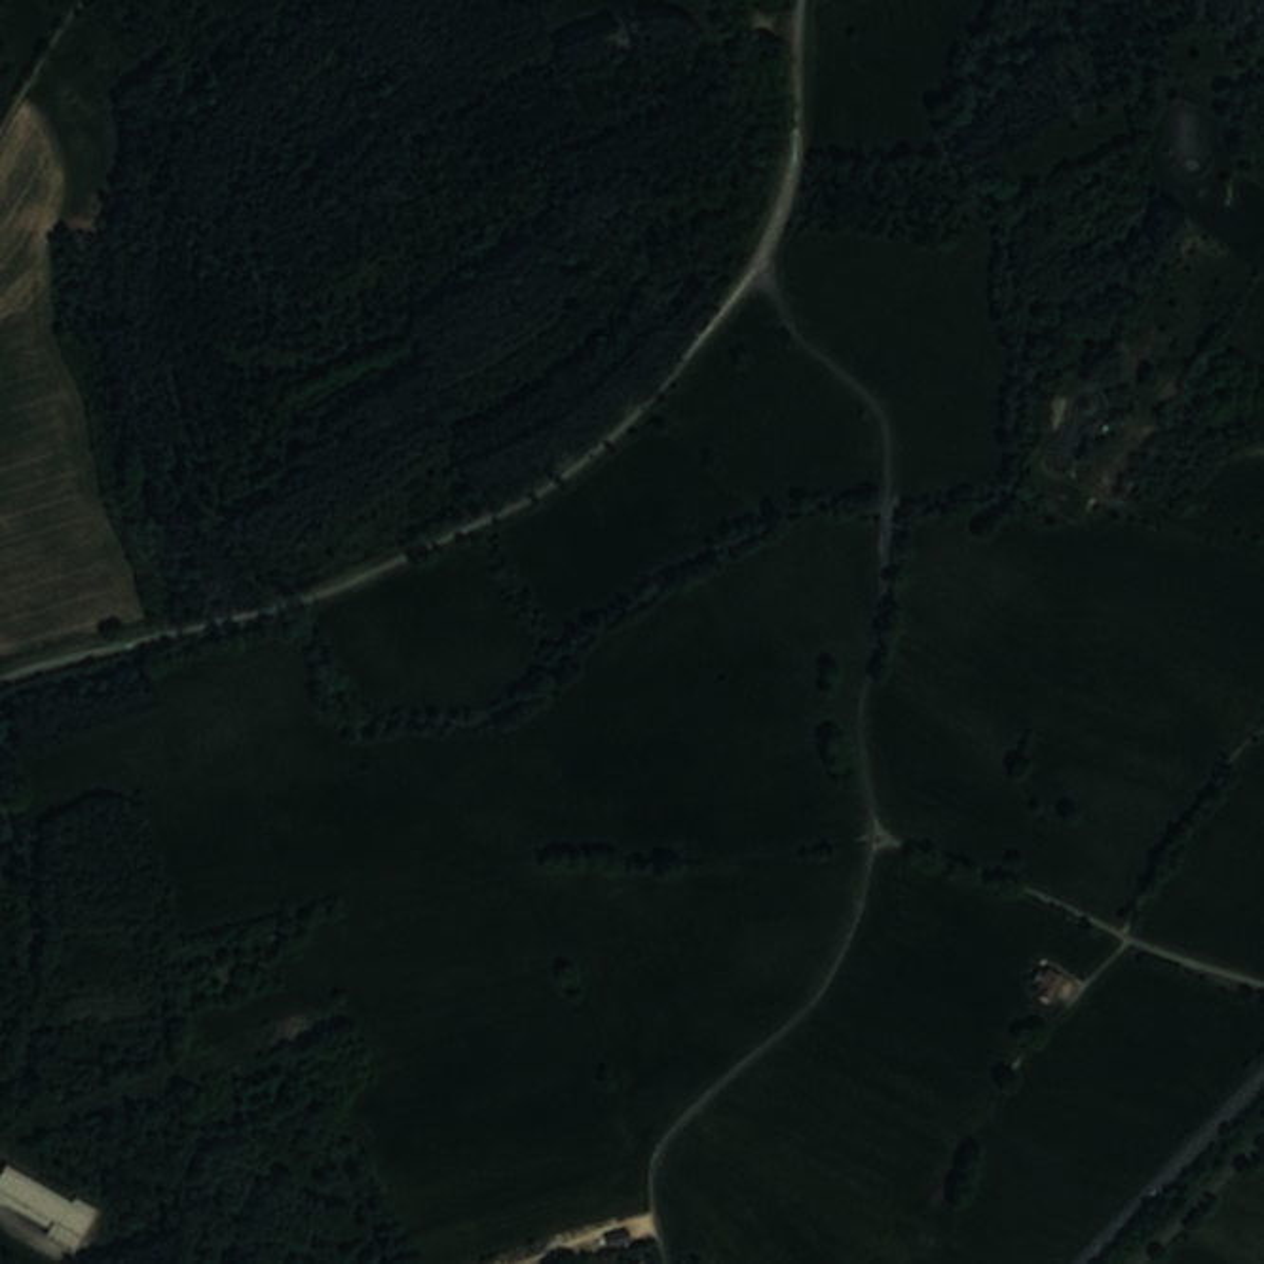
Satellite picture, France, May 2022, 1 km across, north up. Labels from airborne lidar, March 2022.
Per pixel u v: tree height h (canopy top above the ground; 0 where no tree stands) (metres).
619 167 21
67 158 0
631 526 0
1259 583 0
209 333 16
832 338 0
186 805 0
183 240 12
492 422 18
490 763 0
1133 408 10
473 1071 0
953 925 0
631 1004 0
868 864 0
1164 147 0
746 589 0
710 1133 0
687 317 24
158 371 5
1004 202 17
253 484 10
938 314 0
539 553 0
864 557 0
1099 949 0
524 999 0
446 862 0
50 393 0
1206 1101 0
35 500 0
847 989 0
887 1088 0
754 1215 0
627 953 0
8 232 0
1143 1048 0
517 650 0
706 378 0
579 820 0
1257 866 0
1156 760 0
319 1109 26
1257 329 0
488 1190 0
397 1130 0
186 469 18
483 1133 0
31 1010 16
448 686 0
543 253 26
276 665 0
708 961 0
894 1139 0
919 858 17
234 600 25
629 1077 0
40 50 10
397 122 15
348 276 6
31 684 9
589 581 0
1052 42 32
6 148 0
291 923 11
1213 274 0
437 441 24
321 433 21
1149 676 0
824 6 0
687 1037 0
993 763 0
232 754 0
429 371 25
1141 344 0
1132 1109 0
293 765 0
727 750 0
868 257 0
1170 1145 0
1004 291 18
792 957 0
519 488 18
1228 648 0
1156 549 0
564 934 0
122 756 0
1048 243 16
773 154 29
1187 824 7
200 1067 0
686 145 14
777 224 0
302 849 0
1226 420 8
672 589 14
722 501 0
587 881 0
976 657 0
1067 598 0
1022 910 0
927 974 0
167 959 12
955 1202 17
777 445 0
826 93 0
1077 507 0
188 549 25
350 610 0
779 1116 0
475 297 28
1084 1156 0
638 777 0
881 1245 0
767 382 0
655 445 0
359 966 0
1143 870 0
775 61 23
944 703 0
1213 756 0
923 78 0
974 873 18
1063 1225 0
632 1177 0
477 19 19
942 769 0
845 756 23
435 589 0
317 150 9
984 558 0
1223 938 0
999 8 16
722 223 11
